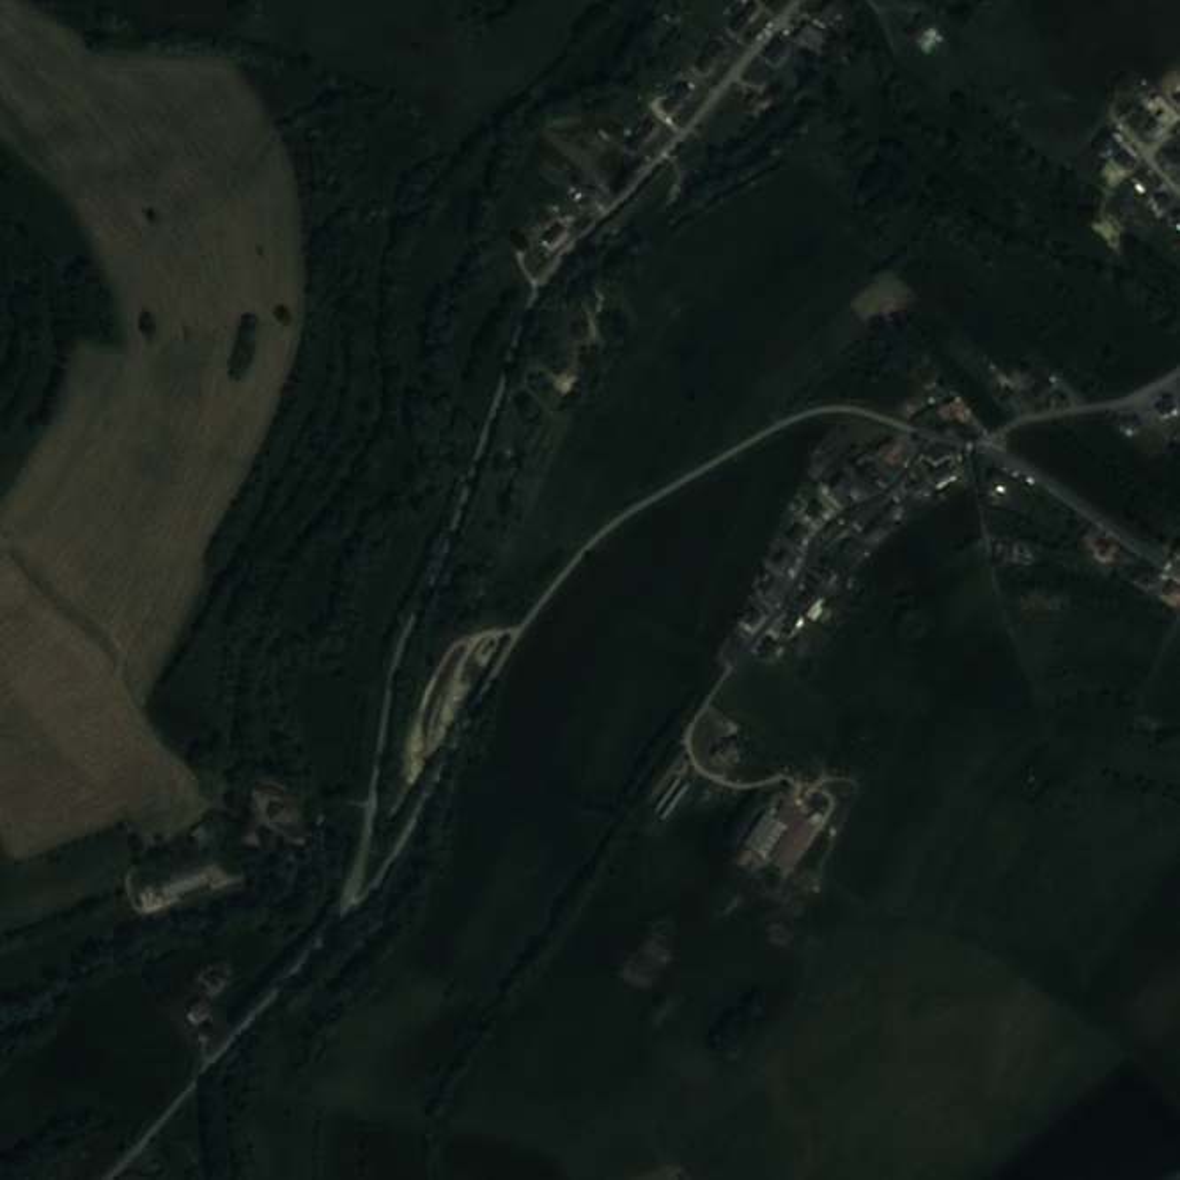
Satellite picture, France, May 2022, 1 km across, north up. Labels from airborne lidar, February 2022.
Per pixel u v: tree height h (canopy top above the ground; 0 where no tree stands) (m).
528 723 0
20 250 19
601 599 0
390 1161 0
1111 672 0
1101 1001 0
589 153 0
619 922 0
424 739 0
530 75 0
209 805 0
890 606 0
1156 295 12
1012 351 0
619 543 0
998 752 0
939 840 0
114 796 0
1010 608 0
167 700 0
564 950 0
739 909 0
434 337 19
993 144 12
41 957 0
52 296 19
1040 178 8
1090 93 0
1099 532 0
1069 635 0
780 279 0
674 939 0
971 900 0
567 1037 0
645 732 0
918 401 0
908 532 0
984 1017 0
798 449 0
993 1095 0
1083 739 0
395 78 0
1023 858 0
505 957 0
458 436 10
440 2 0
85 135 0
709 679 0
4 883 0
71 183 0
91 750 0
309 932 9
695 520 0
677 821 0
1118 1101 0
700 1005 0
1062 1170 0
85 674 0
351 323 17
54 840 0
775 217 0
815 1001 0
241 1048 9
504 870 0
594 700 0
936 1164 0
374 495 0
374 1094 0
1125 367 0
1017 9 0
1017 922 0
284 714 20
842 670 0
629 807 6
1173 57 0
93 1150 0
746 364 0
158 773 0
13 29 0
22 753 0
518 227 0
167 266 0
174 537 0
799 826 0
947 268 0
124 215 0
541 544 0
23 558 0
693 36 0
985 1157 0
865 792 0
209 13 0
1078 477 0
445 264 0
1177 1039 0
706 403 0
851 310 0
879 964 0
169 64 0
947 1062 0
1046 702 0
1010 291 0
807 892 0
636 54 16
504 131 17
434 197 18
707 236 0
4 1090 0
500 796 0
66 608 0
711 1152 0
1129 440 0
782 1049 0
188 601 0
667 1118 0
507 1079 0
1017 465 0
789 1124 0
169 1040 0
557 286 10
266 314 0
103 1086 0
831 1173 0
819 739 0
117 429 0
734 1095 0
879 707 0
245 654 17
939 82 0
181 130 0
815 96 0
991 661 0
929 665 0
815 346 0
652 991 0
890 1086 0
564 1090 0
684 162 0
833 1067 0
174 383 0
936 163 0
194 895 0
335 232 13
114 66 0
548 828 0
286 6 0
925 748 0
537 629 0
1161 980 0
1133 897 0
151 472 0
